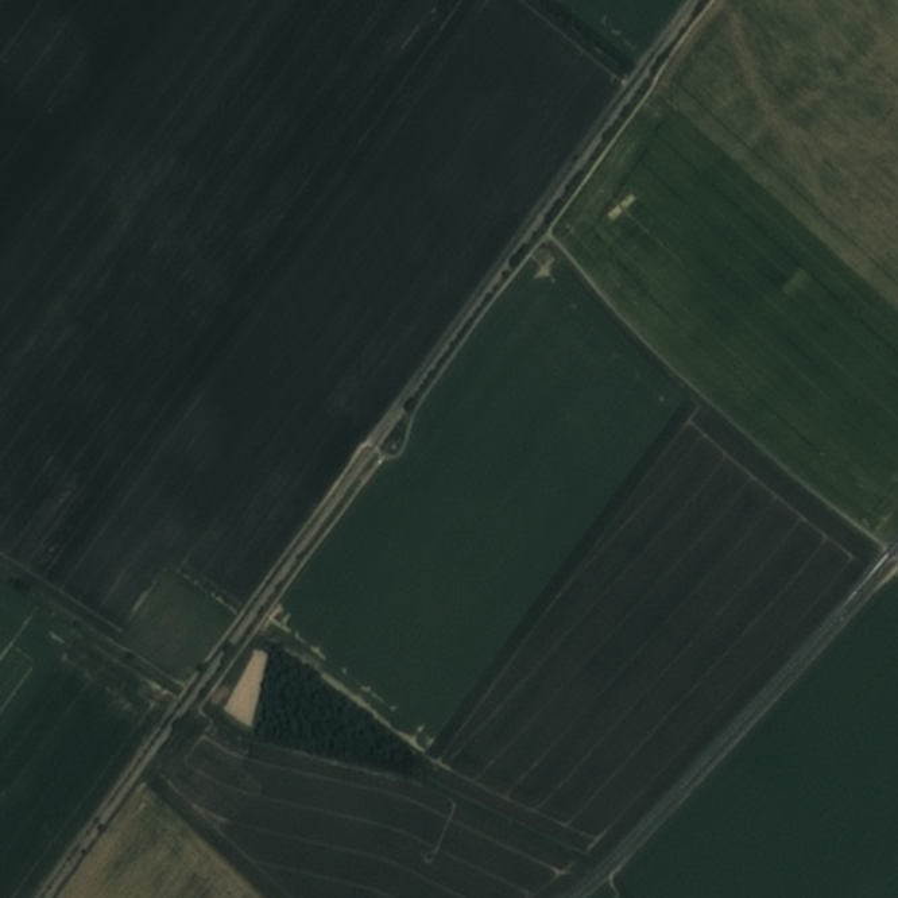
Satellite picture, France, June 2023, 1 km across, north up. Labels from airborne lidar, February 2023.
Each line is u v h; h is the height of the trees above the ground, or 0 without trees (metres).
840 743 0
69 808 0
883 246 0
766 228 0
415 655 0
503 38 0
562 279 0
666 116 0
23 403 0
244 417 0
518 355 0
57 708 0
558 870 0
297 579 0
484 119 0
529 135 0
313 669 13
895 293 0
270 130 0
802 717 0
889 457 0
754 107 0
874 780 0
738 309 0
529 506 0
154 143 0
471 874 0
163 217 0
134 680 0
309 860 0
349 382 0
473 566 0
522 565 0
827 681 0
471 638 0
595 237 0
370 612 0
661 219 0
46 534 0
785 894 0
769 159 0
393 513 0
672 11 0
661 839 0
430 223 0
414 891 0
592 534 0
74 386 0
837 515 0
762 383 0
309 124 0
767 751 0
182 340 0
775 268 0
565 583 0
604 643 0
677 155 0
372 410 0
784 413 0
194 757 0
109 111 0
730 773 0
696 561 0
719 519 0
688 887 0
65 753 0
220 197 0
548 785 0
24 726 0
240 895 0
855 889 0
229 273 0
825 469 0
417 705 0
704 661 0
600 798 0
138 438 0
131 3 0
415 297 0
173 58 0
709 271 0
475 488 0
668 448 0
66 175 0
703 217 0
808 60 0
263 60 0
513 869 0
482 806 0
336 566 0
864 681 0
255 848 0
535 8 0
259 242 0
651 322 0
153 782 0
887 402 0
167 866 0
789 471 0
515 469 0
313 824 0
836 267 0
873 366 0
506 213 0
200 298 0
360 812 0
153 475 0
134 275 0
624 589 0
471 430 0
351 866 0
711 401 0
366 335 0
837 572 0
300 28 0
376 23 0
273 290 0
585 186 0
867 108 0
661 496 0
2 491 0
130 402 0
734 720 0
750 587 0
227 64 0
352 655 0
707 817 0
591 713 0
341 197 0
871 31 0
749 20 0
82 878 0
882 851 0
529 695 0
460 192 0
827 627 0
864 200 0
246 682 0
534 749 0
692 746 0
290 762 0
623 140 0
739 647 0
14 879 0
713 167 0
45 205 0
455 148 0
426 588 0
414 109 0
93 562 0
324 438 0
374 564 0
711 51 0
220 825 0
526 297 0
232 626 0
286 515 0
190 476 0
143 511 0
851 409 0
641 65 0
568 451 0
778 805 0
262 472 0
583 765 0
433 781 0
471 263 0
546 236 0
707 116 0
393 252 0
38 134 0
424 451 0
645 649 0
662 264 0
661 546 0
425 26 0
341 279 0
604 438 0
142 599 0
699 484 0
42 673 0
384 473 0
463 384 0
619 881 0
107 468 0
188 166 0
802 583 0
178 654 0
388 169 0
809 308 0
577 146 0
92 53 0
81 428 0
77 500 0
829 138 0
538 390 0
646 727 0
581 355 0
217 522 0
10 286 0
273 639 0
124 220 0
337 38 0
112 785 0
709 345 0
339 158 0
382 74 0
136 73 0
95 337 0
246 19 0
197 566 0
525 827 0
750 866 0
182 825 0
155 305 0
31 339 0
